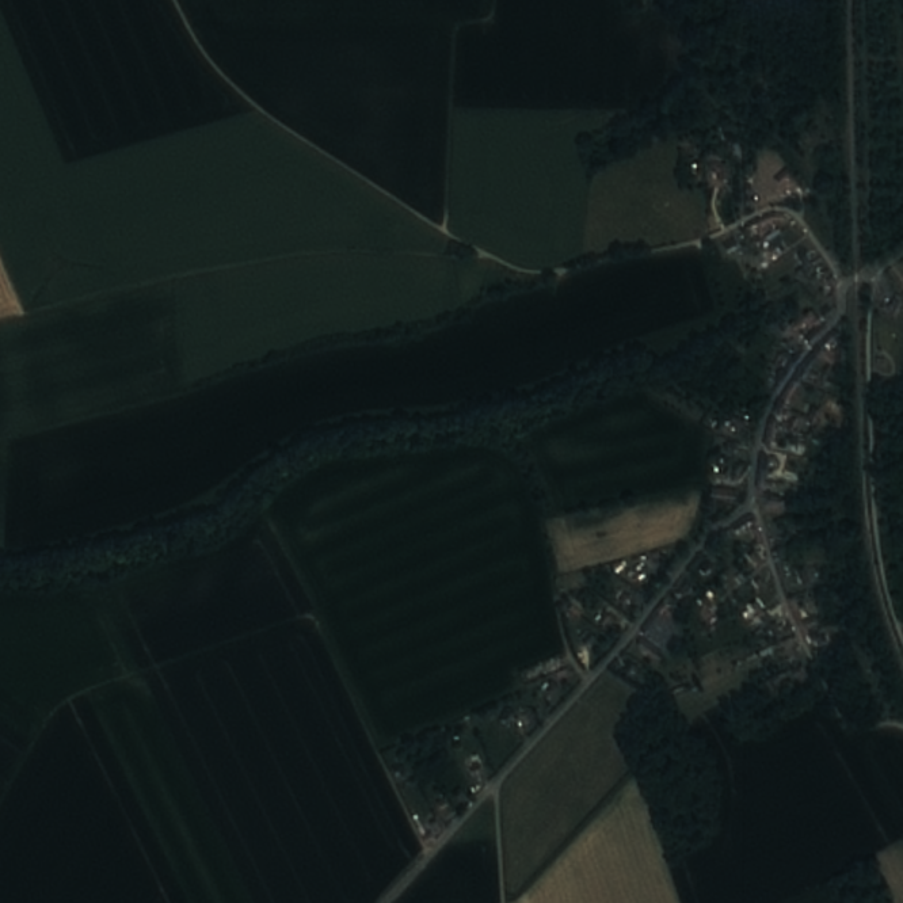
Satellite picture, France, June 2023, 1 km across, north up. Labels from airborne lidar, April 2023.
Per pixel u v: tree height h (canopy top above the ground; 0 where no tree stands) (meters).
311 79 0
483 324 0
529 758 0
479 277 0
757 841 0
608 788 0
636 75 0
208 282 0
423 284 0
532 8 0
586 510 12
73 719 0
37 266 0
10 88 0
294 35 0
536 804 0
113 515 0
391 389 0
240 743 0
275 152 0
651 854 0
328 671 0
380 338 14
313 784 0
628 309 0
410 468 0
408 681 0
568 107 0
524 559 0
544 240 0
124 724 0
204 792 0
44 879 0
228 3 0
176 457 0
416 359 0
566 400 21
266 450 0
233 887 0
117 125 0
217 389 0
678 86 19
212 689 0
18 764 0
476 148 0
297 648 0
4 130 0
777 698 11
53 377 0
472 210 0
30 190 0
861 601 20
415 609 0
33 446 0
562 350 0
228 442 0
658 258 0
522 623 0
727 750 0
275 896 0
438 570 0
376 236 0
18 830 0
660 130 21
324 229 0
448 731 7
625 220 0
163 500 0
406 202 0
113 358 0
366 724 0
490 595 0
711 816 19
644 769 15
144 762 0
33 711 0
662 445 0
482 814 0
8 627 0
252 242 0
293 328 0
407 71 0
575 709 0
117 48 0
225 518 17
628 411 0
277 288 0
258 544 0
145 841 0
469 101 0
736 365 19
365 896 0
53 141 0
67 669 0
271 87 0
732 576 0
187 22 0
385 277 0
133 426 0
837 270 0
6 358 0
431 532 0
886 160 10
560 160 0
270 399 0
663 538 0
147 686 0
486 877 0
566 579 0
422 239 0
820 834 0
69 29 0
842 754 0
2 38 0
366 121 0
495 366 0
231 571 0
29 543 0
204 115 0
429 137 0
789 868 0
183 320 0
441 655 0
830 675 12
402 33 0
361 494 0
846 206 6
